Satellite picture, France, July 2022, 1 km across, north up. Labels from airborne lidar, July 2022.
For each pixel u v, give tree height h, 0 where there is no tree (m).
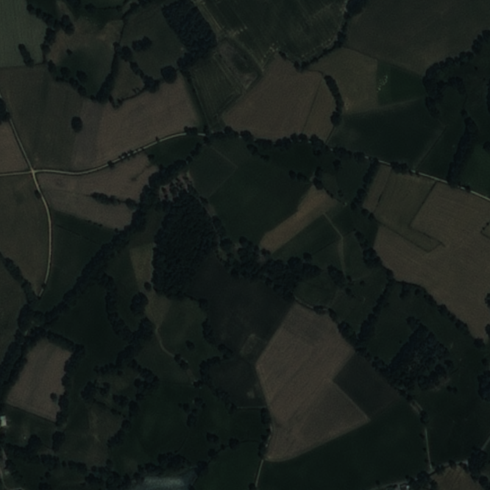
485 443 0
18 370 22
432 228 0
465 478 0
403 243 0
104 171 0
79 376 0
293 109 0
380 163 18
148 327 23
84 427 0
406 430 0
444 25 0
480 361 0
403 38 0
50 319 17
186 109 0
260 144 14
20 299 0
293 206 0
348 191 0
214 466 0
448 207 0
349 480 0
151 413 0
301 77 0
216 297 0
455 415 0
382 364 18
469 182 0
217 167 0
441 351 21
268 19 0
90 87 0
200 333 0
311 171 0
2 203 0
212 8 0
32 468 0
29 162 0
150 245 0
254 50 0
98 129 0
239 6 0
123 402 25
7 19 0
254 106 0
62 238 0
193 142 0
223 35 0
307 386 0
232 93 0
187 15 5
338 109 12
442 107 0
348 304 0
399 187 0
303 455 0
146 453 0
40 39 0
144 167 0
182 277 19
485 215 0
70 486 0
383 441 0
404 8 0
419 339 21
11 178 0
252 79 0
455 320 18
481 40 18
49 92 0
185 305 0
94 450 0
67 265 0
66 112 0
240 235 0
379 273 0
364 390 0
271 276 23
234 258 10
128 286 0
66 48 0
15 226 0
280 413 0
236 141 0
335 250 0
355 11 22
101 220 0
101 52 0
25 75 0
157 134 0
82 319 0
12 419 0
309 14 0
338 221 0
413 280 0
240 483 0
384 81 0
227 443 0
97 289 0
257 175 0
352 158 11
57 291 0
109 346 0
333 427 0
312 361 0
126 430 15
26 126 0
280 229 0
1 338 0
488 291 0
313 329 0
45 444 0
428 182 0
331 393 0
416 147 0
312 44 0
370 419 0
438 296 0
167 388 0
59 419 18
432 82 26
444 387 0
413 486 19
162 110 0
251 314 0
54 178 0
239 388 0
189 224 22
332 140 0
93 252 0
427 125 0
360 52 0
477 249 0
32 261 0
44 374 0
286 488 0
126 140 0
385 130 0
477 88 0
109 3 0
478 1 0
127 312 0
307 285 0
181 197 15
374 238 0
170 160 0
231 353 16
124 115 0
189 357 0
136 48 19
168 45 0
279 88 0
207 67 0
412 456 0
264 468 0
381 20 0
